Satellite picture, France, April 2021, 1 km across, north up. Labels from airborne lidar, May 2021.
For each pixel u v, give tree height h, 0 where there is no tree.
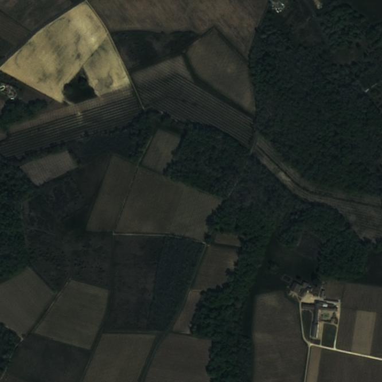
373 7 0
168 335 0
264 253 10
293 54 18
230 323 19
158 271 14
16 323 0
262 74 20
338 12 17
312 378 0
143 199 0
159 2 0
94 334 0
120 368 0
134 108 16
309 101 16
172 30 0
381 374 0
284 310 0
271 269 9
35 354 0
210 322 14
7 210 23
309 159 21
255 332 0
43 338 0
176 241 20
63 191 0
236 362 17
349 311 0
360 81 12
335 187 23
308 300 0
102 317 0
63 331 0
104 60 0
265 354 0
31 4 0
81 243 0
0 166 20
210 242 16
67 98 0
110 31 0
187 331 0
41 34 0
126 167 0
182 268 18
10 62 0
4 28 0
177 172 12
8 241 17
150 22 0
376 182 24
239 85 0
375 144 20
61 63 0
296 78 17
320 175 22
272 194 26
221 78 0
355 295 0
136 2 0
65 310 0
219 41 0
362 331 0
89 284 0
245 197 16
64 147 16
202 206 0
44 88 0
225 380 24
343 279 15
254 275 17
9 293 0
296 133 19
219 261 0
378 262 0
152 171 0
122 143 14
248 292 19
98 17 0
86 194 0
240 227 26
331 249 18
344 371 0
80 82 13
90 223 0
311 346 0
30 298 0
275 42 17
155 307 13
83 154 13
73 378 0
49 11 0
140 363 0
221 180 15
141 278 0
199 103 15
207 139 24
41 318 0
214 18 0
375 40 18
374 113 23
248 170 16
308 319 0
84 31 0
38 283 0
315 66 20
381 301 0
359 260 24
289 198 15
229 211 17
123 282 0
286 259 0
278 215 15
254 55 20
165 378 0
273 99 23
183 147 18
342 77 11
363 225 0
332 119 15
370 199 0
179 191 0
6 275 16
